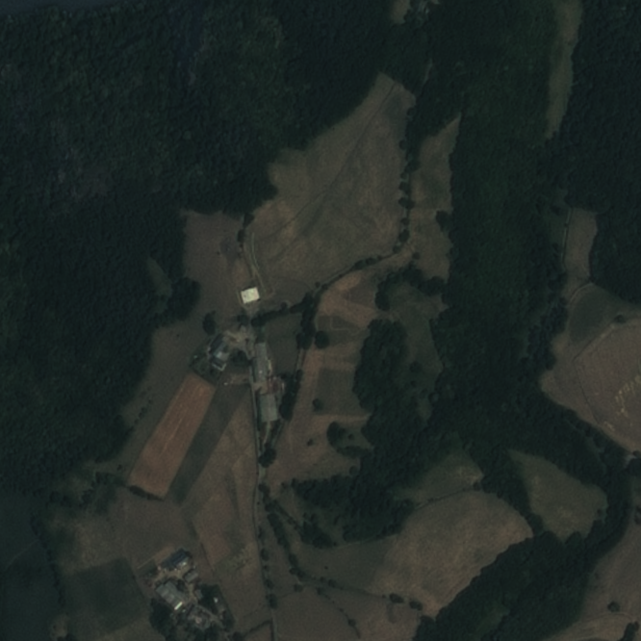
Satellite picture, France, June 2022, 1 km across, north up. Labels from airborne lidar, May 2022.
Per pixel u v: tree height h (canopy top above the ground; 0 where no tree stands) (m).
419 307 0
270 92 19
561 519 0
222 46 12
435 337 16
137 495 10
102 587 0
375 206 0
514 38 15
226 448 0
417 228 0
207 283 0
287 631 0
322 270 0
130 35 19
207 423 0
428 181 0
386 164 0
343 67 33
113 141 15
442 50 13
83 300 14
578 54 26
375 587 0
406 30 13
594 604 0
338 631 0
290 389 10
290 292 0
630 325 0
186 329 0
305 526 10
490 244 18
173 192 10
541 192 23
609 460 20
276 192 9
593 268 13
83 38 24
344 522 8
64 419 17
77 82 18
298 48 22
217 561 0
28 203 14
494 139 15
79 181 7
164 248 10
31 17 7
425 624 16
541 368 18
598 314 0
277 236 0
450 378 16
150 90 17
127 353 20
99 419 15
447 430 14
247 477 0
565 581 16
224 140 10
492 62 15
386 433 11
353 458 6
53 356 22
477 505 0
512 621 24
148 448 0
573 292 0
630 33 14
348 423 0
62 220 13
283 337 0
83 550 0
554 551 28
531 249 21
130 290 18
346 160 0
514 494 15
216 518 0
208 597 13
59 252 15
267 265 0
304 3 24
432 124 11
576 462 19
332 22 21
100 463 8
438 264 0
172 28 17
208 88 22
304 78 22
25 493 15
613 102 20
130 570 0
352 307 0
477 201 15
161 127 23
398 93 0
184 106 30
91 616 0
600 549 14
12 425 8
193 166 16
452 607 12
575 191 15
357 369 6
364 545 0
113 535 0
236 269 0
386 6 15
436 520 0
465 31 18
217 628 10
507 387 28
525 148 16
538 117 16
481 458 14
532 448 20
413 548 0
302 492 12
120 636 0
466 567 0
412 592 0
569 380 0
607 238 17
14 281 22
